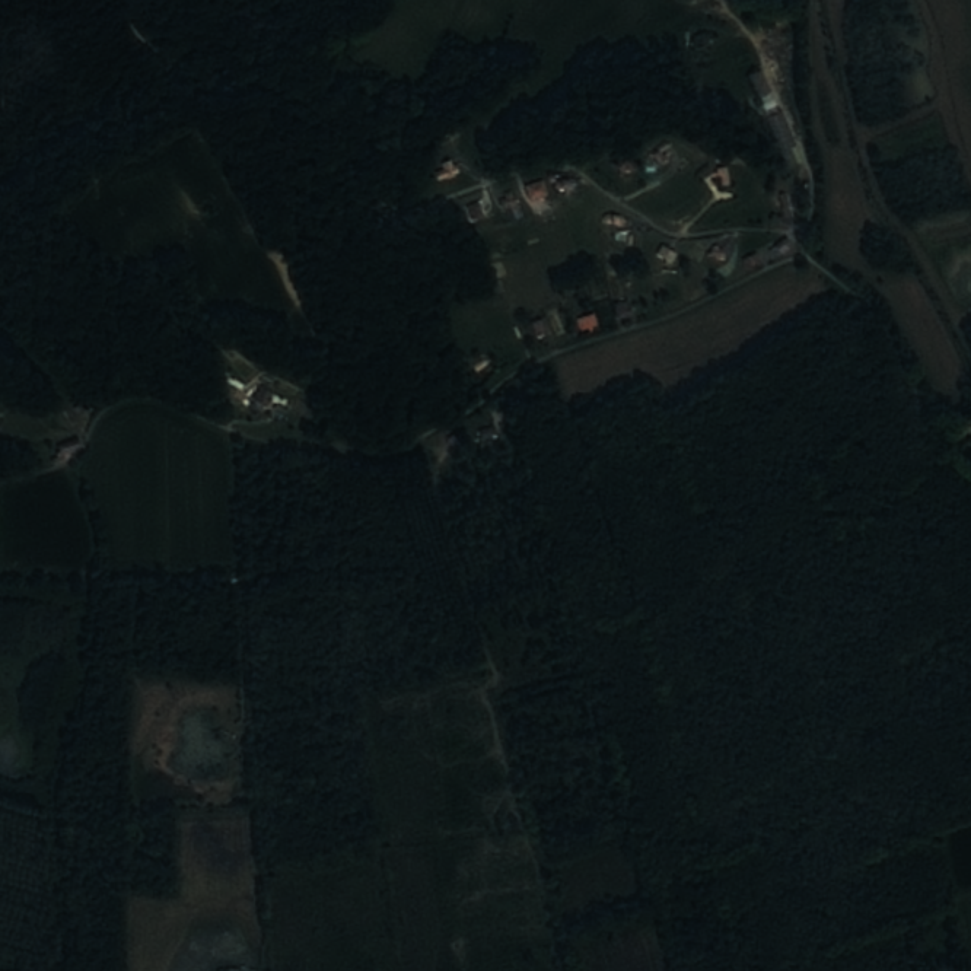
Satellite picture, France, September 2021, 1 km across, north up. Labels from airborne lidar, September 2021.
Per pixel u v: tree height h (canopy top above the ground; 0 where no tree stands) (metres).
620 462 21
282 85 21
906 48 7
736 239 0
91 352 25
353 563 12
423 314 26
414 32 0
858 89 10
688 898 8
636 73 26
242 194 18
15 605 8
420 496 24
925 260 0
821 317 11
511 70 22
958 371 0
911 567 19
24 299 22
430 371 27
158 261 22
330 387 21
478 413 9
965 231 0
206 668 13
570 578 23
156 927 0
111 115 25
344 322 17
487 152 25
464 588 14
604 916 16
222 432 0
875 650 21
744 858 22
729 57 0
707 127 23
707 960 22
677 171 0
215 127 17
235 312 21
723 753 19
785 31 0
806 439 18
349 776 13
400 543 14
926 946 15
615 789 19
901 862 21
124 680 10
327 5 25
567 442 21
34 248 10
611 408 21
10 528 0
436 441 0
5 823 24
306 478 9
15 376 27
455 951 0
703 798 22
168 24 27
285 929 0
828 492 22
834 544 14
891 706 19
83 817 11
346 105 27
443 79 20
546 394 17
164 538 0
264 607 8
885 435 21
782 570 19
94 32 20
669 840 23
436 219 12
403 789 0
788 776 14
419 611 8
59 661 10
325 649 6
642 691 21
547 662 8
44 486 0
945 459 18
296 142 23
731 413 20
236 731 0
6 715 0
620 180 0
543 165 13
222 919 0
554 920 18
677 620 17
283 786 16
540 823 18
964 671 14
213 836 0
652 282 0
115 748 16
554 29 0
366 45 0
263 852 15
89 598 9
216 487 0
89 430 0
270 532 15
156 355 26
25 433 0
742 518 20
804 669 18
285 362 23
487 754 0
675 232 0
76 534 0
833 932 23
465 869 0
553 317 0
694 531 21
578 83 20
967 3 0
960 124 0
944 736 21
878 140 0
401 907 0
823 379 19
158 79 17
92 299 25
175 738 0
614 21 0
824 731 19
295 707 19
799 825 12
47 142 22
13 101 6
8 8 20
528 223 0
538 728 14
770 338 18
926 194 12
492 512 24
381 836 21
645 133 18
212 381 26
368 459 8
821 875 18
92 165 21
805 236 27
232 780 0
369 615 11
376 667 11
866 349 20
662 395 13
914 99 0
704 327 0
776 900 20
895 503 18
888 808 23
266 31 27
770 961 20
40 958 22
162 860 6
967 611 18
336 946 0
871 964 19
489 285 23
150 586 15
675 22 0
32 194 26
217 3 29
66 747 12
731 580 19
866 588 14
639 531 21
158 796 0
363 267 23
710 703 18
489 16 0
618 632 21
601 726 15
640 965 0
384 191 25
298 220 20
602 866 0
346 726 15
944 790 22
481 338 0
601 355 0
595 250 0
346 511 17
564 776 22
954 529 21
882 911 20
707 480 24
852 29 12
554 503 22
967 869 0
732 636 21
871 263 7
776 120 0
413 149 28
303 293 26
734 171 0
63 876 12
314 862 24
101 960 15
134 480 0
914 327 0
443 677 13
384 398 25
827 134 0
